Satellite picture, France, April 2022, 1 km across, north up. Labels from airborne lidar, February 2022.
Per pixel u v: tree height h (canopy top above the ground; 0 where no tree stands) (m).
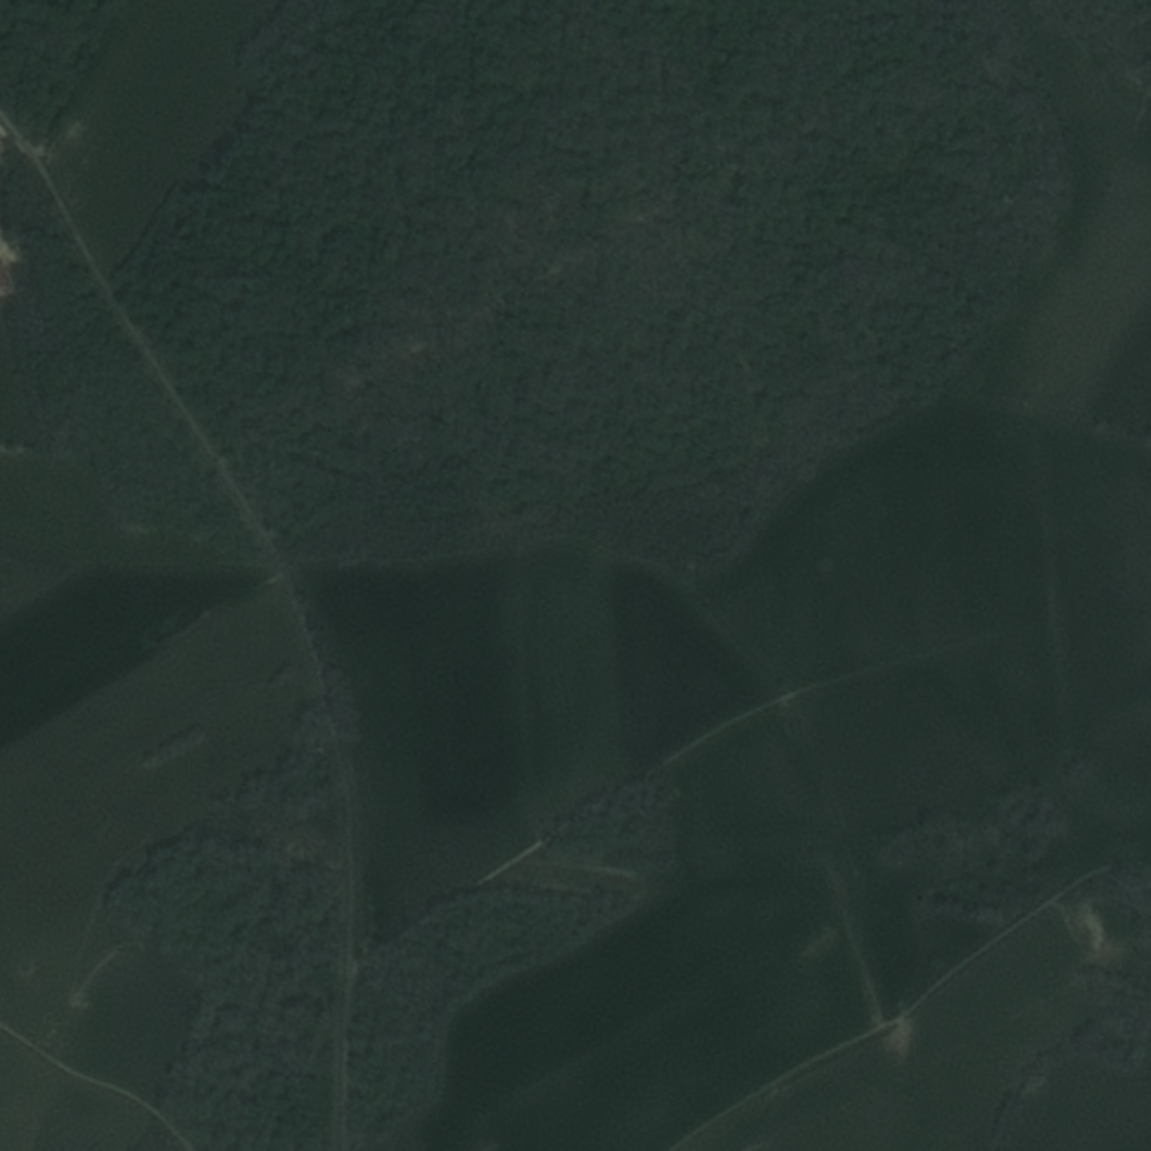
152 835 0
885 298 26
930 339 26
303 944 25
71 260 21
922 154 16
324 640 15
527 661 0
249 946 24
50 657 0
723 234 24
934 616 0
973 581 0
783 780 0
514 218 29
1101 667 0
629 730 0
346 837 0
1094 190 0
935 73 21
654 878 0
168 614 0
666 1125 0
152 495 29
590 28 27
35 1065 0
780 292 24
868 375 26
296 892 28
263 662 0
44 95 22
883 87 23
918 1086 0
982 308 22
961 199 17
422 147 23
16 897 0
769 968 0
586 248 20
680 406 23
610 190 26
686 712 0
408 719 0
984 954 0
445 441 22
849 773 0
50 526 0
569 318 23
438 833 0
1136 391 0
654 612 0
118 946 0
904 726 0
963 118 21
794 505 0
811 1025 0
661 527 9
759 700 0
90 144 0
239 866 28
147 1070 0
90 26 20
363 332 24
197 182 0
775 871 0
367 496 17
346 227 23
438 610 0
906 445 0
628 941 0
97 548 0
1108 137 0
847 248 22
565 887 0
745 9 24
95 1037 0
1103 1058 15
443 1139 0
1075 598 0
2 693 0
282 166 24
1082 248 0
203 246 23
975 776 0
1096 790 0
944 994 0
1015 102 21
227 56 0
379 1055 14
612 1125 0
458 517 11
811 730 0
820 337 27
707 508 12
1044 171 28
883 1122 0
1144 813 0
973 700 0
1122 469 0
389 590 0
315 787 25
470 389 23
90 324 26
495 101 22
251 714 0
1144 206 0
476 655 0
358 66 21
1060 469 0
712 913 0
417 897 0
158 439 27
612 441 21
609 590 0
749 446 23
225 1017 24
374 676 0
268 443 25
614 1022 0
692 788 0
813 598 0
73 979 0
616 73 23
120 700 0
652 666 0
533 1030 0
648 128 27
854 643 0
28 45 26
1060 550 0
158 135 0
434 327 28
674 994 0
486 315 26
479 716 0
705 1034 0
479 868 0
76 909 0
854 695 0
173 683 0
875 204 7
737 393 27
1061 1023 0
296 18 20
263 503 9
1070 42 0
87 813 0
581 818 15
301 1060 25
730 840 0
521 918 24
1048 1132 0
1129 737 0
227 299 25
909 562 0
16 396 0
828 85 26
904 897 0
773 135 24
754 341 22
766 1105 0
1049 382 0
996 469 0
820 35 21
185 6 0
